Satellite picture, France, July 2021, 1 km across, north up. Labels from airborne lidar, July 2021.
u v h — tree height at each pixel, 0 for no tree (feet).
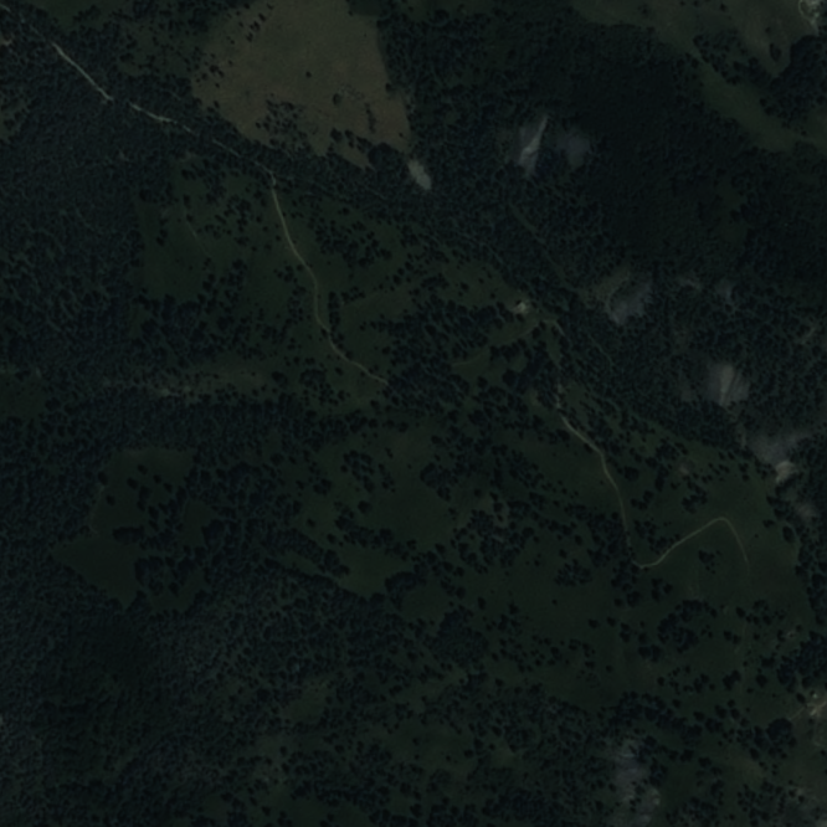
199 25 40
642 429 37
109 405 59
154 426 59
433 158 59
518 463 38
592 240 38
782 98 63
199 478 54
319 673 51
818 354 45
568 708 44
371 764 21
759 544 0
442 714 20
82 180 47
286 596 36
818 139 0
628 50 27
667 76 69
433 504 0
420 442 0
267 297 0
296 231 0
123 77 42
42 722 61
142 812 24
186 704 56
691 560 0
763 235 74
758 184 57
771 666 57
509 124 30
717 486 0
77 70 34
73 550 0
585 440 0
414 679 29
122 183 39
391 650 31
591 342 54
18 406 0
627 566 44
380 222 27
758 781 0
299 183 26
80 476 49
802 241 68
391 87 37
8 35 42
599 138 62
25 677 21
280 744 0
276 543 51
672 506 0
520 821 42
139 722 45
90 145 36
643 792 29
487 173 47
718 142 80
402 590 49
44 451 48
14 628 37
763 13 0
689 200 36
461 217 33
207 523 0
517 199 42
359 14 0
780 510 42
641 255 48
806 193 23
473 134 53
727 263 28
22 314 76
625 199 66
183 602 0
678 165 79
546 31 19
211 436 54
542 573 0
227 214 30
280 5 0
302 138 18
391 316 0
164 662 42
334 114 0
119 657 79
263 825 0
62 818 66
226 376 0
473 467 41
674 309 32
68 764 41
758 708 0
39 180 41
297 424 52
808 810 0
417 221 42
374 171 34
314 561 54
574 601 0
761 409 30
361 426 44
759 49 0
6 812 32
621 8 0
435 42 26
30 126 48
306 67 0
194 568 68
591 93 70
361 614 44
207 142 38
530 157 0
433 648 47
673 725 80
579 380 67
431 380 60
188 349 57
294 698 44
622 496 0
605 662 0
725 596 0
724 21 0
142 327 0
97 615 53
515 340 0
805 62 56
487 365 0
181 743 33
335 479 0
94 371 52
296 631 59
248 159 36
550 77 63
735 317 41
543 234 21
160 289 0
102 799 48
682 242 28
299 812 0
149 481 0
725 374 0
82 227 54
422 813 58
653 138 67
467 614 57
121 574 0
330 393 22
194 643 22
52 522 61
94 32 24
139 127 42
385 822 37
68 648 61
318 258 0
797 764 0
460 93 61
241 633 26
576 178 55
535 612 0
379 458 0
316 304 0
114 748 35
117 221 50
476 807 31
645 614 0
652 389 41
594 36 25
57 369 64
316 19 0
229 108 0
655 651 26
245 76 0
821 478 44
